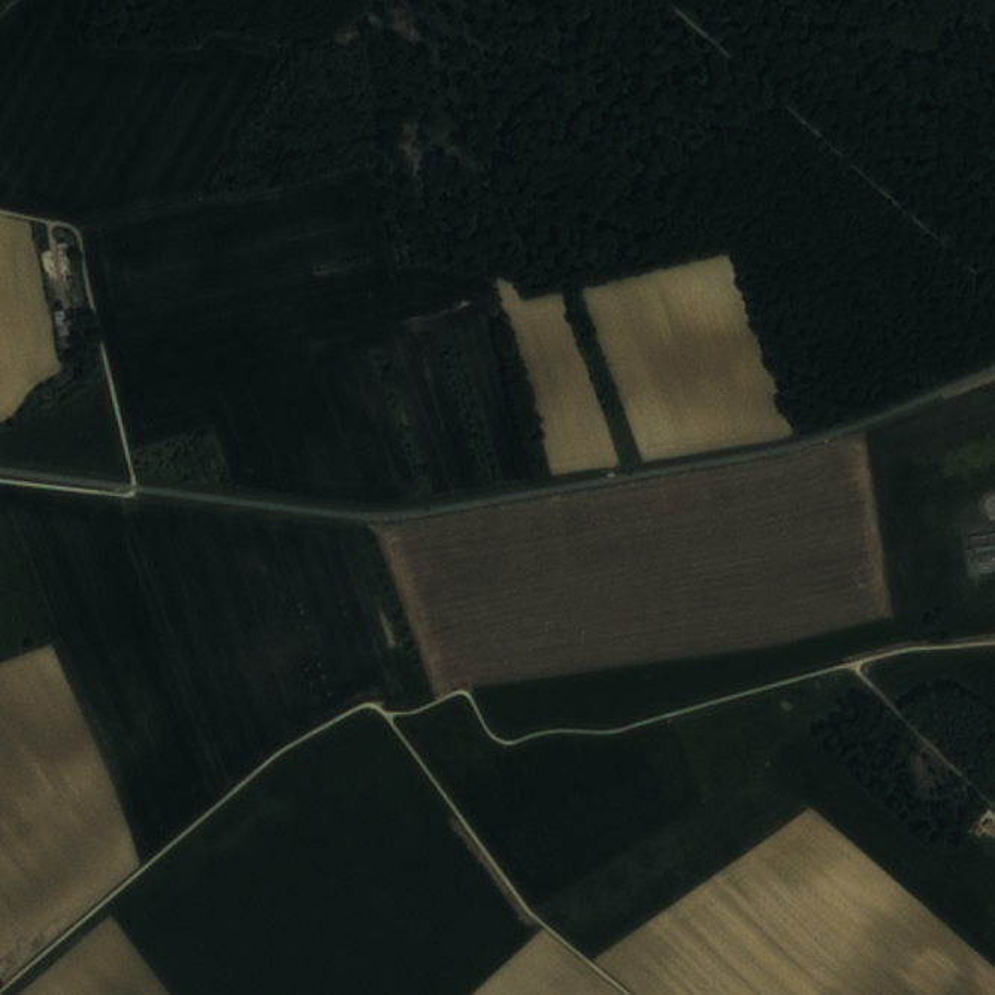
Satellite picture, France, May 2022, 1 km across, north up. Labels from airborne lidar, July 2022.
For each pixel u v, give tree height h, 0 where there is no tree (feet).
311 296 0
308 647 0
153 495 0
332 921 0
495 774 0
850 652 0
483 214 72
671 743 0
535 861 0
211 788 0
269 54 0
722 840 0
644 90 88
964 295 66
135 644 0
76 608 0
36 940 0
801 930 0
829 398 62
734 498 0
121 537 0
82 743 0
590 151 100
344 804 0
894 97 81
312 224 0
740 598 0
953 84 94
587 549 0
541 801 0
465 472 0
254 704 0
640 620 0
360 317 0
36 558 0
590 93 64
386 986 0
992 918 0
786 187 65
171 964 0
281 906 0
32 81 0
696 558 0
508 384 58
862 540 0
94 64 0
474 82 87
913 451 0
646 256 66
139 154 0
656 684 0
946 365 70
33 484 0
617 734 0
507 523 0
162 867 0
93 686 0
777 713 0
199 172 0
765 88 80
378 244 0
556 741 0
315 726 0
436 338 0
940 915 0
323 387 0
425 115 86
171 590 0
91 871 0
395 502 0
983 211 85
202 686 0
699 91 86
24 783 0
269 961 0
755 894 0
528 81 85
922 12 71
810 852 0
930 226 46
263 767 0
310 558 0
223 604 0
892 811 52
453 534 0
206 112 0
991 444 0
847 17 94
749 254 69
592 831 0
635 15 68
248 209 0
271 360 0
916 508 0
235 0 39
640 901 0
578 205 72
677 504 0
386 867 0
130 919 0
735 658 0
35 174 0
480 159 87
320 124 32
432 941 0
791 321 87
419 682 0
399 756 0
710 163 77
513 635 0
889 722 53
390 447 0
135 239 0
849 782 0
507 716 0
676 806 0
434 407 0
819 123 71
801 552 0
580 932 0
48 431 0
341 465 0
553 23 73
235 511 0
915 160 41
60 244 0
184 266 0
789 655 0
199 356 0
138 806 0
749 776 0
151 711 0
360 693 0
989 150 85
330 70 73
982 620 0
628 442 0
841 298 62
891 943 0
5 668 0
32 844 0
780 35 95
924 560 0
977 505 0
